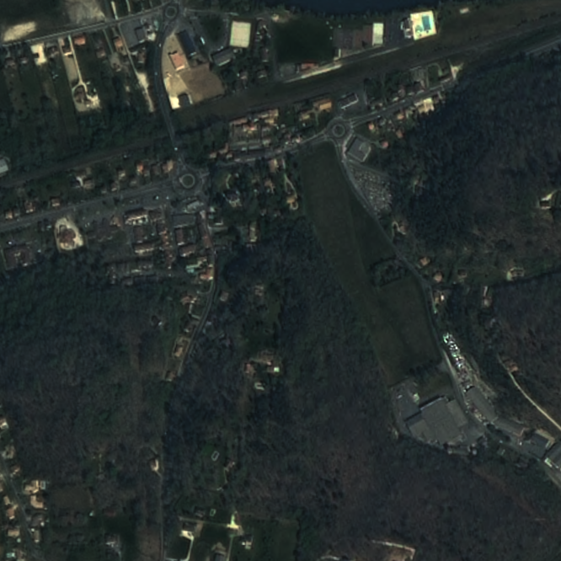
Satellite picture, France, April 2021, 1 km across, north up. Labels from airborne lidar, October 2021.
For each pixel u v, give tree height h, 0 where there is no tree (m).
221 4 21
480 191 16
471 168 20
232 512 19
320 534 17
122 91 20
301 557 19
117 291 21
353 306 24
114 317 20
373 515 16
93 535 0
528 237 20
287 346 21
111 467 11
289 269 12
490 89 22
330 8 0
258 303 13
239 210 14
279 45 0
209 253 0
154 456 10
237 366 8
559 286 19
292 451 17
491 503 15
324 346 14
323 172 0
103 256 17
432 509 12
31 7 0
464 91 15
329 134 0
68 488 0
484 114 20
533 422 5
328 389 18
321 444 16
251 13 8
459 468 21
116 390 16
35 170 15
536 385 15
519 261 23
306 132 9
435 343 0
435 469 14
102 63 0
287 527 0
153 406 28
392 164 15
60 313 18
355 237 0
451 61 0
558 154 8
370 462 20
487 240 10
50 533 15
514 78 18
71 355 24
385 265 13
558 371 15
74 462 11
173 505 6
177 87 0
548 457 0
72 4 0
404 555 0
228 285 20
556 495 19
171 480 13
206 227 0
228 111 0
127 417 20
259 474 20
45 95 0
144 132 16
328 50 0
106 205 10
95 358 16
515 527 13
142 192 0
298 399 19
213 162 8
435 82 7
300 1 0
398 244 15
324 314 25
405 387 0
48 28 0
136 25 0
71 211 0
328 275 21
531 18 0
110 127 9
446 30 0
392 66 0
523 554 26
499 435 12
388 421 17
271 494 19
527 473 17
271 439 12
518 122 14
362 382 22
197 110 10
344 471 6
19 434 8
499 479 20
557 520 16
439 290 7
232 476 7
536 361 14
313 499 11
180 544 0
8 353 19
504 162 18
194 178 0
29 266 0
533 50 0
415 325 0
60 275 23
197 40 9
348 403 15
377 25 0
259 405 20
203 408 11
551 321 15
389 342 0
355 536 17
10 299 19
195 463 17
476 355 17
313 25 0
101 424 16
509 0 12
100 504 19
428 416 0
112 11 0
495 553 18
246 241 0
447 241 17
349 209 0
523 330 21
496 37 0
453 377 0
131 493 26
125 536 0
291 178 20
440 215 21
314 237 14
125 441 13
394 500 11
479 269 10
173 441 14
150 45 9
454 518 7
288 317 19
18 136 7
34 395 23
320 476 6
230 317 18
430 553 15
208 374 18
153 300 20
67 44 9
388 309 0
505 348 17
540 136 19
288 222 6
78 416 19
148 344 24
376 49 0
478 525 14
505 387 9
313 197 0
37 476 6
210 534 0
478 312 6
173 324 22
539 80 18
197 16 8
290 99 0
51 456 7
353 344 23
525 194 24
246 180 16
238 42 0
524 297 16
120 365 24
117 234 0
